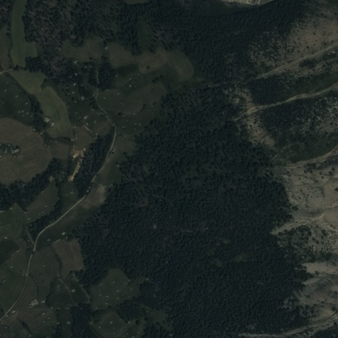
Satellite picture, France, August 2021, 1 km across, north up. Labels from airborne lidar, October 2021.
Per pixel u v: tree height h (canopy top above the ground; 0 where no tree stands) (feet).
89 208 0
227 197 25
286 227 0
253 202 28
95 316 28
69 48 0
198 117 28
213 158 68
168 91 0
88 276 39
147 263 26
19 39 0
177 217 27
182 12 22
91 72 29
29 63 34
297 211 0
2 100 0
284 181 0
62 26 55
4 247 0
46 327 0
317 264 0
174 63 0
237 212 25
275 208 22
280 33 21
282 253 25
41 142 0
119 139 0
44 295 0
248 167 68
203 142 55
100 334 0
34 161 0
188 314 30
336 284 0
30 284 0
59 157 0
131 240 31
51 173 32
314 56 0
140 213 35
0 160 0
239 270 21
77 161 0
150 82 0
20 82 0
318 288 0
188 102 69
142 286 31
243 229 23
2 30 0
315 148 0
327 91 0
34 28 53
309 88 0
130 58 0
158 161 30
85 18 38
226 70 26
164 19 32
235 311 24
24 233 0
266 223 26
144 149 30
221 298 29
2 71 0
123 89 0
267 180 55
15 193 22
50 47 55
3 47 0
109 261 46
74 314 25
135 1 0
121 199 25
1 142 0
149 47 0
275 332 21
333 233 0
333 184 0
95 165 27
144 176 78
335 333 28
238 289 38
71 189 0
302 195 0
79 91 27
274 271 27
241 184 64
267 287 24
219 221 26
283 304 23
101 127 0
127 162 29
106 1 73
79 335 28
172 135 36
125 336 0
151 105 0
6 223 0
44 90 0
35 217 0
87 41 0
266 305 48
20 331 0
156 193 35
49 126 0
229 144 71
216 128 29
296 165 0
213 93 25
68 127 0
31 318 0
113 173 0
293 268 25
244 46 18
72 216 0
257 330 23
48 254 0
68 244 0
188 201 41
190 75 0
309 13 0
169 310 23
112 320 0
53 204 0
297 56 0
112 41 58
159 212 23
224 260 22
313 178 0
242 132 32
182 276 23
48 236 0
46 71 29
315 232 0
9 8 45
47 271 0
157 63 0
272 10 26
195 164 56
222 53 17
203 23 23
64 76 36
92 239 24
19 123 0
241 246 23
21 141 0
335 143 0
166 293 32
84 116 0
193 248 47
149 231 38
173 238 33
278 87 23
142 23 0
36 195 23
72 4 0
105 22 75
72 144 0
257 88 21
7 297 0
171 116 45
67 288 0
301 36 0
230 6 0
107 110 0
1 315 0
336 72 0
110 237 31
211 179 59
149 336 30
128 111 0
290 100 0
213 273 36
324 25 0
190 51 24
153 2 39
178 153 52
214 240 22
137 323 35
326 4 0
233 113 36
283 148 0
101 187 0
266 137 0
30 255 0
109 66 26
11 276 0
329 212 0
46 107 0
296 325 27
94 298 0
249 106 0
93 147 28
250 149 46
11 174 0
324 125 0
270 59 18
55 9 39
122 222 34
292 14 19
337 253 0
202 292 35
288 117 22
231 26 19
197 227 19
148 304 26
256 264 29
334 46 0
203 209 32
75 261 0
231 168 75
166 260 27
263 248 23
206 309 29
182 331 40
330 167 0
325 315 0
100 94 0
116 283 0
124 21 46
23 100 0
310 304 0
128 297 0
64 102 0
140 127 0
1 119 0
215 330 35
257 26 33
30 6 60
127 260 52
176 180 37
